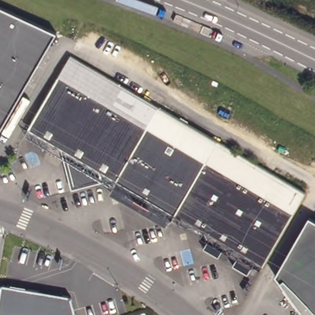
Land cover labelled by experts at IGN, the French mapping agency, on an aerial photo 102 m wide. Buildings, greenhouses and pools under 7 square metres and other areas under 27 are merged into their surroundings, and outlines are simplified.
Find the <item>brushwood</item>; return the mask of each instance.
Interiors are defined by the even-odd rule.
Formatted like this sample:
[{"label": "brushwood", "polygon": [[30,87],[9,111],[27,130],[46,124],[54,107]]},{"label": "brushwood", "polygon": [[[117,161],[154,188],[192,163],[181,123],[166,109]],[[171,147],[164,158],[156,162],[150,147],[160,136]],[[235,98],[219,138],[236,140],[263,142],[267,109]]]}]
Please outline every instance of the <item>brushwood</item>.
[{"label": "brushwood", "polygon": [[303,193],[306,192],[304,181],[294,178],[289,173],[283,175],[281,169],[271,169],[250,149],[237,144],[229,150],[234,156],[244,157],[269,175],[279,178]]},{"label": "brushwood", "polygon": [[257,9],[282,18],[315,36],[315,17],[301,14],[294,6],[284,6],[279,2],[267,0],[261,0]]}]

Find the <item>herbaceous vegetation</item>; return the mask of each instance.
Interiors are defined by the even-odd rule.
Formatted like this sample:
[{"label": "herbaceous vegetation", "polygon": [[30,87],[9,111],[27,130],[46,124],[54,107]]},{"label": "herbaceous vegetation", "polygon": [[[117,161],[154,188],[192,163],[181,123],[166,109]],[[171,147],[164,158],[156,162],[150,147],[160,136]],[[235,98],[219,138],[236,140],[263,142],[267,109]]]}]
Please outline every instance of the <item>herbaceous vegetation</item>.
[{"label": "herbaceous vegetation", "polygon": [[20,236],[7,234],[2,236],[4,251],[0,262],[0,278],[6,278],[7,267],[16,247],[42,251],[44,247]]},{"label": "herbaceous vegetation", "polygon": [[300,71],[292,68],[273,55],[258,57],[262,63],[276,69],[287,78],[298,80],[303,86],[303,91],[295,90],[253,65],[249,60],[221,48],[218,42],[209,43],[205,41],[204,36],[194,37],[183,30],[154,20],[143,11],[130,9],[118,2],[114,5],[108,0],[0,0],[0,9],[50,33],[57,33],[76,41],[89,33],[97,33],[98,38],[110,39],[111,42],[146,60],[159,76],[161,84],[180,90],[188,97],[196,98],[199,103],[203,103],[204,110],[220,119],[233,119],[237,126],[250,130],[256,137],[265,140],[268,146],[276,148],[283,159],[298,161],[306,166],[315,161],[315,74],[310,70]]},{"label": "herbaceous vegetation", "polygon": [[267,0],[279,2],[284,6],[294,6],[301,14],[315,17],[315,0]]}]

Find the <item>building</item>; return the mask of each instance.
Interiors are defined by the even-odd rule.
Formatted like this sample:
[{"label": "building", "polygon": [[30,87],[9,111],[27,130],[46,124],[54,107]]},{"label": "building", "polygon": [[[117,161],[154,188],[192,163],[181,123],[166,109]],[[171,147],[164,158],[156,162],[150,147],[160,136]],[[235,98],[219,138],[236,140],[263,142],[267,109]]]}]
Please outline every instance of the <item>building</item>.
[{"label": "building", "polygon": [[0,9],[0,138],[25,98],[23,89],[37,68],[39,60],[47,48],[57,41],[57,33],[50,33]]},{"label": "building", "polygon": [[281,290],[284,299],[298,315],[315,315],[315,223],[306,221],[281,267],[274,273],[274,287]]},{"label": "building", "polygon": [[71,315],[69,304],[65,303],[68,298],[16,287],[0,288],[0,315]]},{"label": "building", "polygon": [[244,157],[234,156],[229,150],[74,59],[66,62],[27,128],[27,134],[36,133],[39,137],[44,135],[52,140],[55,148],[75,154],[87,165],[101,169],[108,177],[116,178],[116,185],[122,181],[126,183],[124,188],[148,194],[150,203],[156,204],[169,214],[173,213],[177,220],[201,226],[198,230],[201,231],[201,237],[205,234],[220,237],[229,247],[239,247],[242,252],[246,252],[251,260],[268,265],[273,252],[292,223],[303,193],[279,178],[269,175]]}]

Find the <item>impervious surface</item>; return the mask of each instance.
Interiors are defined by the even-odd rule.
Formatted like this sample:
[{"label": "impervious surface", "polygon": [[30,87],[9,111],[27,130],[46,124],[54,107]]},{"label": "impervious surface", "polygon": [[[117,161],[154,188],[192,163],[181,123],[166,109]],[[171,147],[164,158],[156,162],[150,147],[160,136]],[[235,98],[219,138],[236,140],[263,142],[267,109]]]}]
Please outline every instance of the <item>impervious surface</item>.
[{"label": "impervious surface", "polygon": [[[47,48],[39,60],[37,68],[23,89],[25,98],[0,138],[0,262],[4,251],[2,236],[7,234],[20,236],[44,247],[42,251],[16,247],[7,267],[6,278],[0,278],[0,288],[16,287],[68,298],[65,303],[69,304],[71,315],[298,315],[284,299],[281,290],[274,287],[274,273],[281,267],[306,221],[315,223],[315,161],[306,166],[298,161],[283,159],[276,148],[268,146],[265,140],[256,137],[250,130],[237,126],[233,119],[220,119],[204,110],[203,103],[199,103],[196,98],[188,97],[180,90],[161,84],[159,76],[146,60],[111,42],[110,39],[98,38],[97,33],[89,33],[76,41],[57,33],[57,41]],[[306,192],[303,193],[292,223],[273,252],[268,265],[251,260],[246,252],[242,252],[239,247],[229,247],[220,237],[205,234],[201,237],[201,231],[198,230],[201,226],[177,220],[173,213],[169,214],[156,204],[150,203],[148,194],[124,188],[126,183],[122,181],[116,185],[116,178],[108,177],[101,169],[87,165],[75,154],[55,148],[52,140],[44,135],[39,137],[36,133],[27,134],[27,128],[66,62],[74,59],[229,150],[237,144],[250,149],[271,169],[281,169],[283,175],[289,173],[294,178],[304,181]]]},{"label": "impervious surface", "polygon": [[310,70],[315,74],[315,36],[282,18],[257,9],[261,0],[108,0],[114,5],[118,2],[130,9],[143,11],[154,20],[183,30],[194,37],[204,36],[205,41],[209,43],[218,42],[221,48],[249,60],[253,65],[295,90],[303,91],[303,86],[298,80],[287,78],[276,69],[262,63],[258,57],[273,55],[292,68],[300,71]]}]

